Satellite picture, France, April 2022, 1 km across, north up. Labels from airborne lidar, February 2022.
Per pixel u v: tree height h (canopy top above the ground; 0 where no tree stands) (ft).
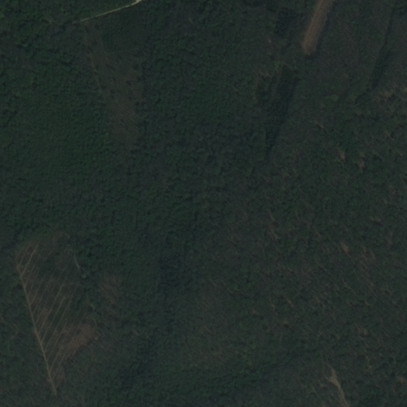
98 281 100
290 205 98
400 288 91
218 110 66
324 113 96
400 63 92
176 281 71
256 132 86
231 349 89
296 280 98
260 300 86
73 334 0
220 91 76
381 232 96
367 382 88
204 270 99
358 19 85
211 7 75
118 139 0
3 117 94
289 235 91
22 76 97
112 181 69
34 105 88
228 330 75
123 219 87
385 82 87
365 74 96
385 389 85
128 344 97
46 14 101
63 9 76
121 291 92
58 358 0
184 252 79
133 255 76
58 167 55
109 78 0
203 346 77
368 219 91
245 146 80
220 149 103
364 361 90
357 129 100
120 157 75
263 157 95
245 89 79
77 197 67
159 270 81
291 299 93
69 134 63
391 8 88
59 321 0
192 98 59
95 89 85
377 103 85
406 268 84
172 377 68
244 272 99
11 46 94
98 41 0
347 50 91
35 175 71
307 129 98
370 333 94
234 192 98
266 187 95
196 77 86
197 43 98
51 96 87
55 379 0
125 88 0
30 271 0
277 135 35
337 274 99
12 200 87
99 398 78
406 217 92
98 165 74
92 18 79
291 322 109
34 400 101
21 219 66
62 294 0
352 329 90
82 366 90
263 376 71
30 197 72
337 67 94
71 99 64
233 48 84
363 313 92
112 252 70
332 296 101
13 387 104
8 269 100
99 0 86
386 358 99
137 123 0
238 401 99
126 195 74
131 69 0
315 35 0
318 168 90
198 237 96
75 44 92
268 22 88
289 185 89
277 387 105
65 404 84
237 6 89
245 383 82
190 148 93
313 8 91
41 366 62
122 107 0
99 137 69
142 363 77
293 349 85
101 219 69
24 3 86
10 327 95
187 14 89
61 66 78
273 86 47
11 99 93
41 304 0
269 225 94
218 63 78
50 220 67
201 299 92
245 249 95
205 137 91
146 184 96
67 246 0
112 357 96
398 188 96
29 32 106
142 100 0
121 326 105
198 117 71
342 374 90
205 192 91
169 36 83
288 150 98
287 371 90
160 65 85
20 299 110
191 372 71
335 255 91
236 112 81
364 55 82
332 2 0
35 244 0
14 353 102
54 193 74
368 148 102
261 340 100
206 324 79
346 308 97
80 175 63
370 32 93
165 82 86
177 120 71
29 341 92
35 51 84
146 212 90
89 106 64
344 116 95
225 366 94
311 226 93
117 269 72
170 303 82
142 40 0
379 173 92
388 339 84
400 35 99
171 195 77
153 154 80
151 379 54
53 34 94
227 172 59
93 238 92
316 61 91
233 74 84
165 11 77
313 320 89
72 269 0
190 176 94
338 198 97
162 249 88
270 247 96
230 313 95
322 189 97
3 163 86
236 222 98
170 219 77
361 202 105
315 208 91
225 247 81
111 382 84
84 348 0
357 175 103
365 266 96
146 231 77
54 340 0
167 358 73
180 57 94
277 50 92
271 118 67
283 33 54
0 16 107
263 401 98
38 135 80
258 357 86
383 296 96
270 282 101
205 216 96
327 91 91
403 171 94
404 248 95
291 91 24
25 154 74
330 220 97
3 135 99
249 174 102
